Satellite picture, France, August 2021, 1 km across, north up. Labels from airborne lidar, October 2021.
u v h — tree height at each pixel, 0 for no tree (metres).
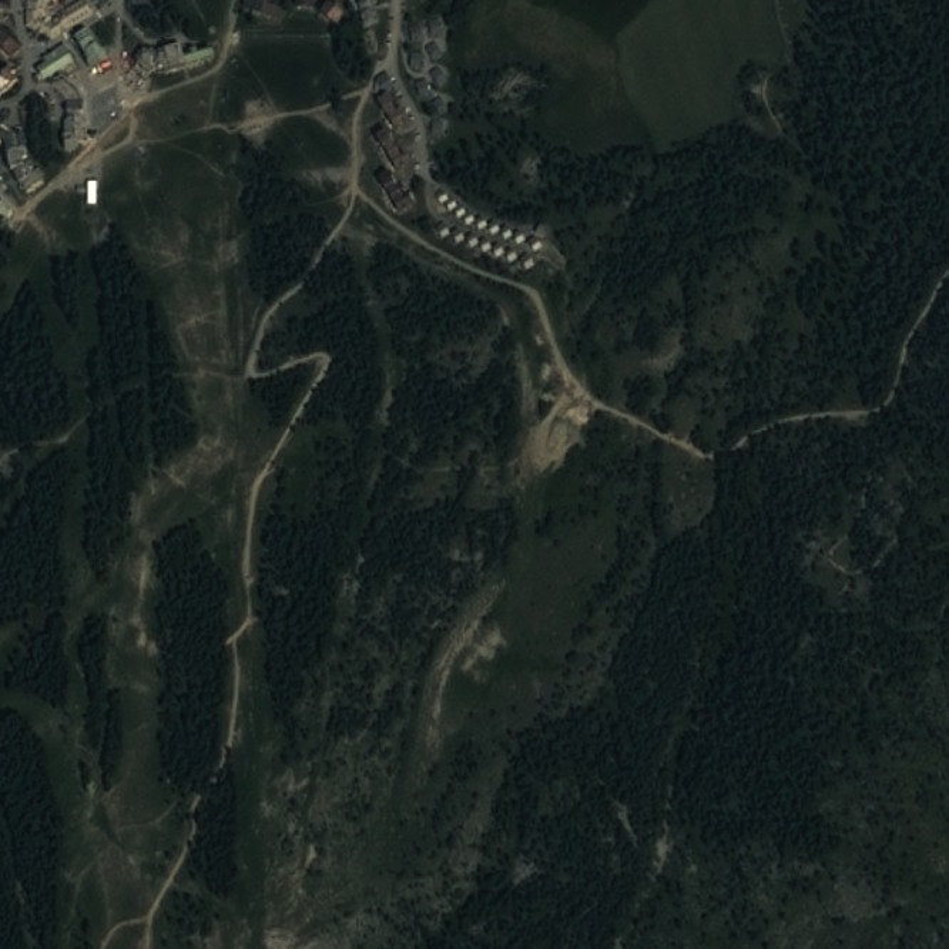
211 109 0
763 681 6
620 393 0
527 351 0
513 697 0
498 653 0
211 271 0
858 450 6
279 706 6
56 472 8
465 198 8
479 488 0
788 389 10
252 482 0
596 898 8
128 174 0
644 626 11
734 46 0
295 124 0
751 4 0
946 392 8
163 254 0
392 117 0
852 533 9
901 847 0
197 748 11
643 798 9
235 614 0
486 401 9
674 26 0
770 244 0
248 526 0
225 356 0
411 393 10
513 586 0
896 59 15
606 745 9
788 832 10
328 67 0
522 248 0
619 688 7
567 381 0
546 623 0
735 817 10
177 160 0
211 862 12
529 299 0
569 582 0
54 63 0
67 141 0
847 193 21
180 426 11
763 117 6
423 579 7
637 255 7
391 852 0
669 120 0
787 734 6
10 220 0
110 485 14
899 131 23
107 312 17
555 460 0
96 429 19
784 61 0
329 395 7
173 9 15
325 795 0
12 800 16
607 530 0
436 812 7
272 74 0
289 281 11
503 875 6
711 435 0
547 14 0
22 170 0
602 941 10
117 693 12
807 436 6
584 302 0
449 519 7
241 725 0
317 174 0
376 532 10
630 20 0
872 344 10
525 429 0
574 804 6
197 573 12
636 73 0
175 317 0
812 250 0
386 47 0
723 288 0
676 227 8
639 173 0
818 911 0
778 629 10
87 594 0
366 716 6
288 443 0
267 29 0
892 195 12
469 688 0
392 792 0
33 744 9
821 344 11
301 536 8
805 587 8
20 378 18
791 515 13
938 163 26
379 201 0
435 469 0
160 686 0
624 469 7
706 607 9
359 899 0
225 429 0
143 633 0
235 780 8
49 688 9
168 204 0
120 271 13
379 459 0
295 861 0
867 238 23
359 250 0
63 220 0
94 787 0
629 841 9
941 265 6
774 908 0
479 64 0
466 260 0
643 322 8
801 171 14
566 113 0
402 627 7
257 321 0
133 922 0
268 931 0
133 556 0
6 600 17
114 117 0
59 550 12
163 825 0
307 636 11
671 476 0
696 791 12
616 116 0
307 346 11
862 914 0
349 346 8
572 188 18
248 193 11
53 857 15
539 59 0
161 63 0
